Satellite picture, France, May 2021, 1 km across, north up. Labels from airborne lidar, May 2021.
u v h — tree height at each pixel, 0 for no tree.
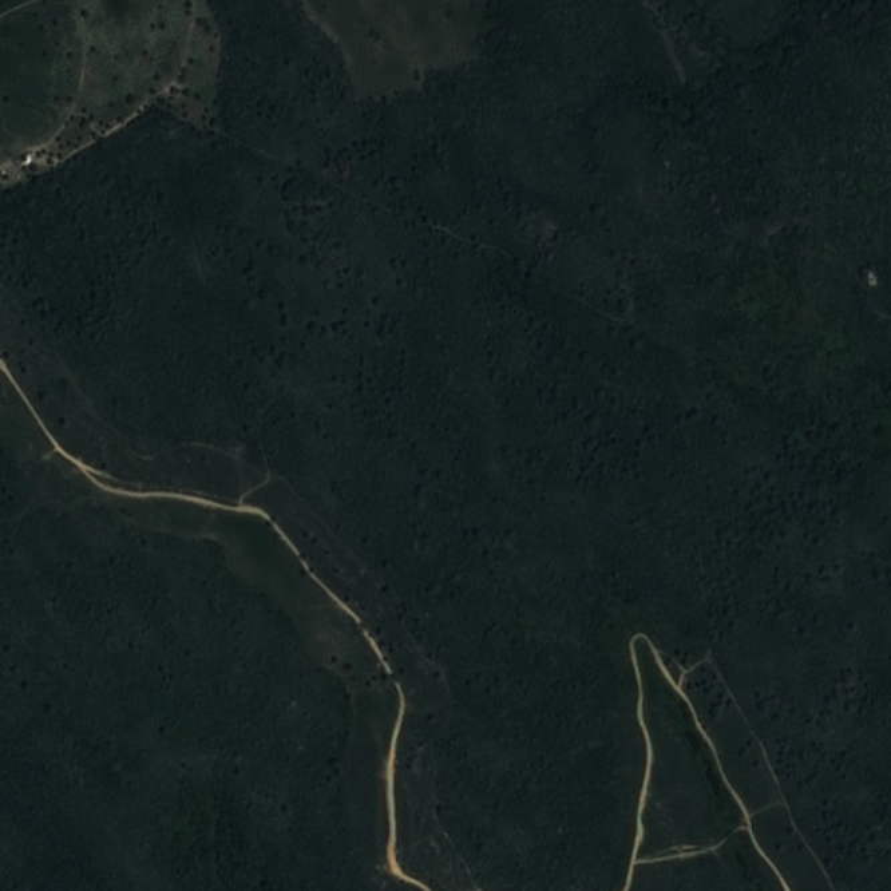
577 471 10
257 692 6
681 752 0
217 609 8
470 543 9
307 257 12
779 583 11
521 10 6
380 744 0
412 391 5
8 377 0
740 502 6
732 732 0
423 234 6
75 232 7
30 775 6
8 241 12
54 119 0
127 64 0
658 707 0
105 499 0
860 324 6
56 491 0
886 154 6
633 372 6
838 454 12
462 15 0
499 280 11
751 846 0
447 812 13
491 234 6
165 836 7
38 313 6
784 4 9
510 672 7
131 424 6
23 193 10
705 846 0
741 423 6
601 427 12
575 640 7
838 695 14
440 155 9
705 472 7
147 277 6
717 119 6
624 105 7
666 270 6
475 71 6
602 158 6
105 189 6
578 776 8
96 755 8
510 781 7
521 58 9
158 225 13
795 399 11
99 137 7
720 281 6
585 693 8
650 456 5
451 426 5
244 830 6
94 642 6
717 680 13
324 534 0
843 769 11
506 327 9
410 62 0
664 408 6
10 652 12
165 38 0
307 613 0
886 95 6
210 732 6
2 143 0
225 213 7
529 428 7
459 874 0
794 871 0
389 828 0
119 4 0
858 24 14
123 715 6
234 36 6
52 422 0
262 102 12
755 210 8
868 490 6
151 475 0
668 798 0
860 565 5
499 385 6
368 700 0
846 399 7
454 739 5
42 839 6
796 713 11
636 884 0
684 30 9
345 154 12
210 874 8
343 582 0
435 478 6
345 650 0
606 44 8
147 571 7
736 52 11
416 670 0
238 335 6
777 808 0
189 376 7
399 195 10
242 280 7
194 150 6
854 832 10
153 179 8
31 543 6
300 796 9
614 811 6
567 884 6
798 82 6
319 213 18
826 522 13
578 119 8
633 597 7
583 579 10
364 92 0
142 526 0
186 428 7
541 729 7
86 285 9
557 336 11
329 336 15
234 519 0
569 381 7
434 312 6
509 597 6
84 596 6
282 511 0
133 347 6
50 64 0
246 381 7
